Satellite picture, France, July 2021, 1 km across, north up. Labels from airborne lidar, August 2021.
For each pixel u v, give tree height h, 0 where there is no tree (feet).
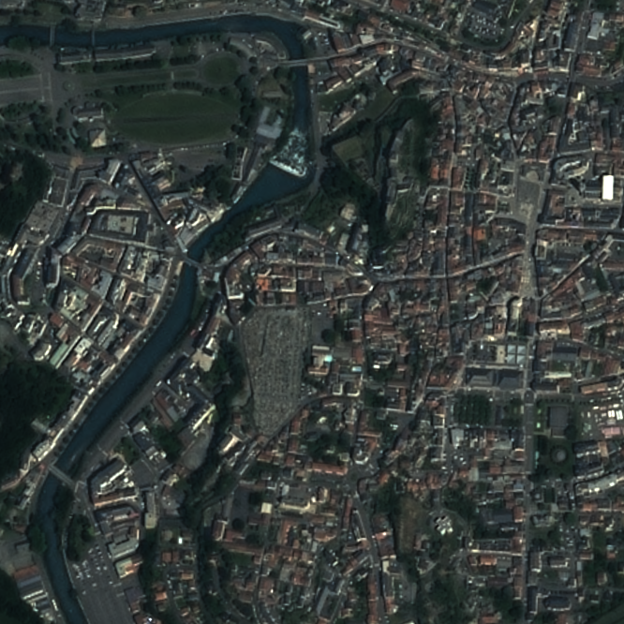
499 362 0
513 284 0
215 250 26
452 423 0
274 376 0
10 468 48
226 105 0
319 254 0
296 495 0
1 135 70
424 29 22
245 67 0
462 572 0
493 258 0
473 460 0
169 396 0
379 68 0
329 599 21
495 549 0
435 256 0
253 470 18
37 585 0
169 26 0
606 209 0
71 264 0
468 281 0
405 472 19
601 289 23
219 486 22
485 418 22
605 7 30
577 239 0
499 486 0
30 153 39
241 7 0
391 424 21
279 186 0
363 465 0
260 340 0
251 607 51
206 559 50
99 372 0
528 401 0
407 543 0
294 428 0
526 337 20
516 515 0
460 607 28
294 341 0
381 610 0
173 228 0
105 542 0
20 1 0
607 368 0
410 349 0
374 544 0
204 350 0
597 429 0
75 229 0
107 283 0
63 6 26
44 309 0
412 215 29
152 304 0
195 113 0
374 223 47
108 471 0
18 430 26
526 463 0
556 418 0
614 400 26
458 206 0
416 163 23
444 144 0
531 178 0
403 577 0
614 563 26
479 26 0
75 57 0
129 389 0
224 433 42
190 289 0
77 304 0
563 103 0
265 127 0
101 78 0
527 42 0
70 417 0
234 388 56
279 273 0
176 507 0
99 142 0
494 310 0
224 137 0
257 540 27
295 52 0
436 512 0
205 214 0
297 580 0
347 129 21
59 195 0
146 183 0
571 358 0
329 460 50
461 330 0
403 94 23
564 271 0
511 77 0
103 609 0
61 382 44
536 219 0
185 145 0
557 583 0
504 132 0
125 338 0
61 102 0
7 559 0
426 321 0
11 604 61
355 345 0
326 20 0
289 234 0
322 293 0
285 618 39
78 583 0
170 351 21
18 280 0
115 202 0
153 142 0
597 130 0
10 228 66
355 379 0
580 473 0
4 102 0
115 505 0
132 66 65
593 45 0
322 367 0
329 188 56
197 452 0
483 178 0
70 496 39
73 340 0
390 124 18
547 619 44
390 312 0
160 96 0
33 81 0
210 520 0
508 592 70
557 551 0
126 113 0
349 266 0
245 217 65
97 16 0
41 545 108
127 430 0
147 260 0
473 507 24
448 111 0
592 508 0
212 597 31
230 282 0
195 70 0
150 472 0
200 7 0
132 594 0
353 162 43
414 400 0
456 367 0
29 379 48
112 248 0
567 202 0
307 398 0
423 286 0
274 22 0
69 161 0
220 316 0
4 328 0
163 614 34
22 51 75
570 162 0
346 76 0
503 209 19
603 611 20
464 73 0
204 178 73
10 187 42
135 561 0
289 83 18
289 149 0
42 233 0
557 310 0
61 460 0
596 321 0
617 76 0
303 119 0
